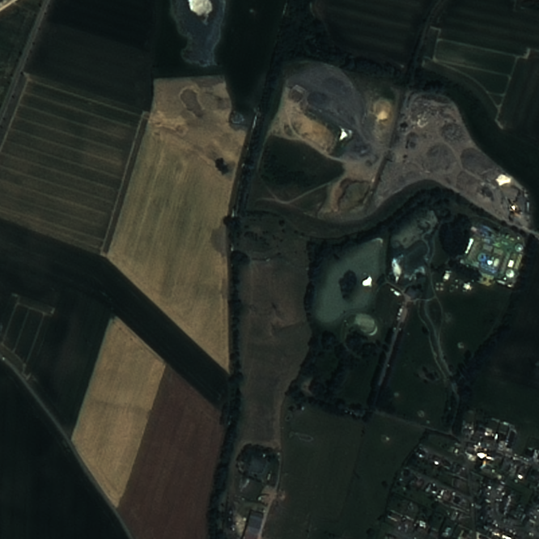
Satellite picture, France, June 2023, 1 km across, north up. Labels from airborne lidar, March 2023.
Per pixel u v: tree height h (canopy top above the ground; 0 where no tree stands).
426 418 0
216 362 0
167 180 0
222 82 0
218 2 0
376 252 0
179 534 0
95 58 0
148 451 0
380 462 0
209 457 0
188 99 0
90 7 0
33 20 0
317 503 0
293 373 0
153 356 0
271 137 0
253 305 0
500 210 0
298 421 0
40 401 0
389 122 0
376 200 0
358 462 0
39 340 0
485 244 0
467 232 12
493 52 0
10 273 0
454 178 0
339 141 0
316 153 0
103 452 0
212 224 0
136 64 0
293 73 0
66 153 0
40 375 0
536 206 0
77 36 0
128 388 0
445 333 0
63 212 0
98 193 0
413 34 0
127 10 0
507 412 0
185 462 0
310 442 0
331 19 0
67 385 0
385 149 0
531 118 0
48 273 0
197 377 0
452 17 0
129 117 0
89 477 0
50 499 0
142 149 0
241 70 0
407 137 0
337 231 0
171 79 0
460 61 0
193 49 0
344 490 0
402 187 0
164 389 0
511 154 0
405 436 0
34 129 0
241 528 0
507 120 0
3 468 0
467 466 0
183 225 0
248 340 0
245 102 0
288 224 0
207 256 0
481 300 0
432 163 0
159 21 0
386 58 0
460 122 0
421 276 12
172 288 0
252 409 0
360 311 0
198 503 0
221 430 0
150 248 0
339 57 18
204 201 0
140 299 0
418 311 0
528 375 0
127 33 0
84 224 0
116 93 0
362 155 0
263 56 0
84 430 0
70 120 0
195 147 0
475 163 0
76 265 0
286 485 0
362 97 0
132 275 0
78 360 0
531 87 0
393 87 0
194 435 0
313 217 0
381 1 0
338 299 0
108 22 0
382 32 0
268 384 0
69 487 0
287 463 0
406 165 0
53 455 0
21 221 0
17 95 0
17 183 0
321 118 0
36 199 0
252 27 0
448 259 0
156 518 0
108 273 0
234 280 7
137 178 0
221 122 0
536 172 0
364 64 21
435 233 0
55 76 0
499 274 0
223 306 0
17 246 0
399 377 0
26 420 0
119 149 0
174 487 0
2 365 0
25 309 0
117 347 0
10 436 0
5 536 0
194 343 0
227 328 0
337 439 0
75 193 0
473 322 0
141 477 0
